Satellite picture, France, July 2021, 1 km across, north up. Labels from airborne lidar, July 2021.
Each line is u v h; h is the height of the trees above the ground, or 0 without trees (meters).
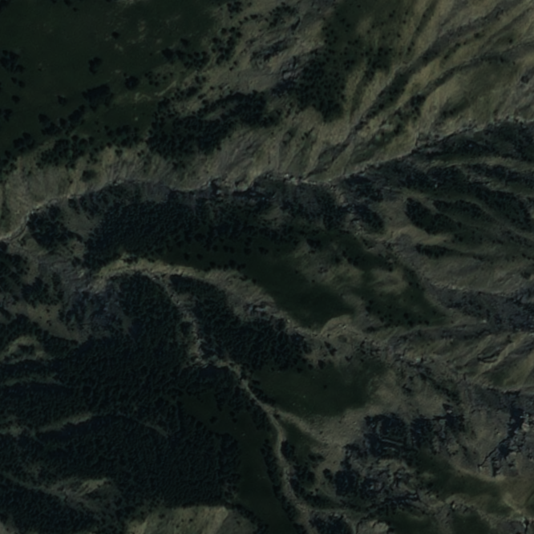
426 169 0
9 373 16
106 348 23
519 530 0
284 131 0
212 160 0
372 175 0
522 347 0
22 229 0
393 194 0
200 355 0
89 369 22
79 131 0
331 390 0
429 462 0
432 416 0
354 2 0
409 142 0
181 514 0
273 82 0
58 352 26
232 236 20
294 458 15
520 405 0
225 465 21
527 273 6
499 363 0
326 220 12
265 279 0
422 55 0
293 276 0
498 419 0
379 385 0
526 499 0
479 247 0
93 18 0
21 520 17
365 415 0
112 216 12
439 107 0
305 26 0
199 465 22
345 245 0
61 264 0
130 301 14
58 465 16
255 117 10
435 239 0
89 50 0
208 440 20
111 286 0
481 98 0
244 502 0
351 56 0
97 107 22
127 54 0
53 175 0
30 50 0
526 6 0
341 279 0
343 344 0
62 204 0
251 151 0
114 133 21
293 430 0
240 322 12
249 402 19
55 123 15
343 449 0
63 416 17
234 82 0
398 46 0
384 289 0
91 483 0
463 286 0
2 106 0
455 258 0
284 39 0
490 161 0
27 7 0
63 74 0
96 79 0
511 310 0
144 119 0
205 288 9
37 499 22
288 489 0
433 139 0
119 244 24
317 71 13
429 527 0
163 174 0
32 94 0
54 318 0
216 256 0
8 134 0
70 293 0
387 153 0
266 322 8
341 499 0
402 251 0
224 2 0
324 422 0
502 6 0
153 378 19
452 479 0
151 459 20
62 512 20
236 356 18
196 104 0
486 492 0
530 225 9
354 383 0
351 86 0
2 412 11
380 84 0
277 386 0
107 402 19
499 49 0
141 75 0
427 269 0
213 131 11
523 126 0
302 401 0
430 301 0
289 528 0
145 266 0
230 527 0
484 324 0
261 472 0
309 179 0
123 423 19
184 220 19
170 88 0
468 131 0
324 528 13
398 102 0
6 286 24
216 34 0
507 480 0
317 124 0
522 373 0
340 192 0
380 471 0
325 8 0
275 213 0
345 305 0
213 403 0
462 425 9
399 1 0
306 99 12
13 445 13
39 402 19
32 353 7
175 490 22
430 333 0
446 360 0
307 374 0
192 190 0
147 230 24
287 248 0
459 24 0
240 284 0
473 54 0
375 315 0
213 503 13
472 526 0
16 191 0
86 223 0
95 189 0
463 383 0
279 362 14
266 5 0
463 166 0
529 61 0
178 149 15
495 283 0
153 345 12
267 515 0
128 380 23
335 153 0
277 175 0
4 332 17
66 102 17
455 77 0
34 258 0
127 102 0
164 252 13
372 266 0
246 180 0
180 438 21
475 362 0
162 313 22
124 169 0
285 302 0
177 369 21
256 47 0
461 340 0
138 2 0
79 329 0
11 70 23
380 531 0
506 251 0
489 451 0
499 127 0
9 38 0
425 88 0
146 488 8
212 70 0
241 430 0
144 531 0
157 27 0
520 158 0
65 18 0
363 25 0
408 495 0
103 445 18
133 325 0
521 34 0
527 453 0
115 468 21
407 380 0
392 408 0
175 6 0
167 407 22
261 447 0
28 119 0
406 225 0
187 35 0
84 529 12
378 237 0
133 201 8
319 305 0
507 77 0
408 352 0
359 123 0
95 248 20
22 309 0
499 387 0
